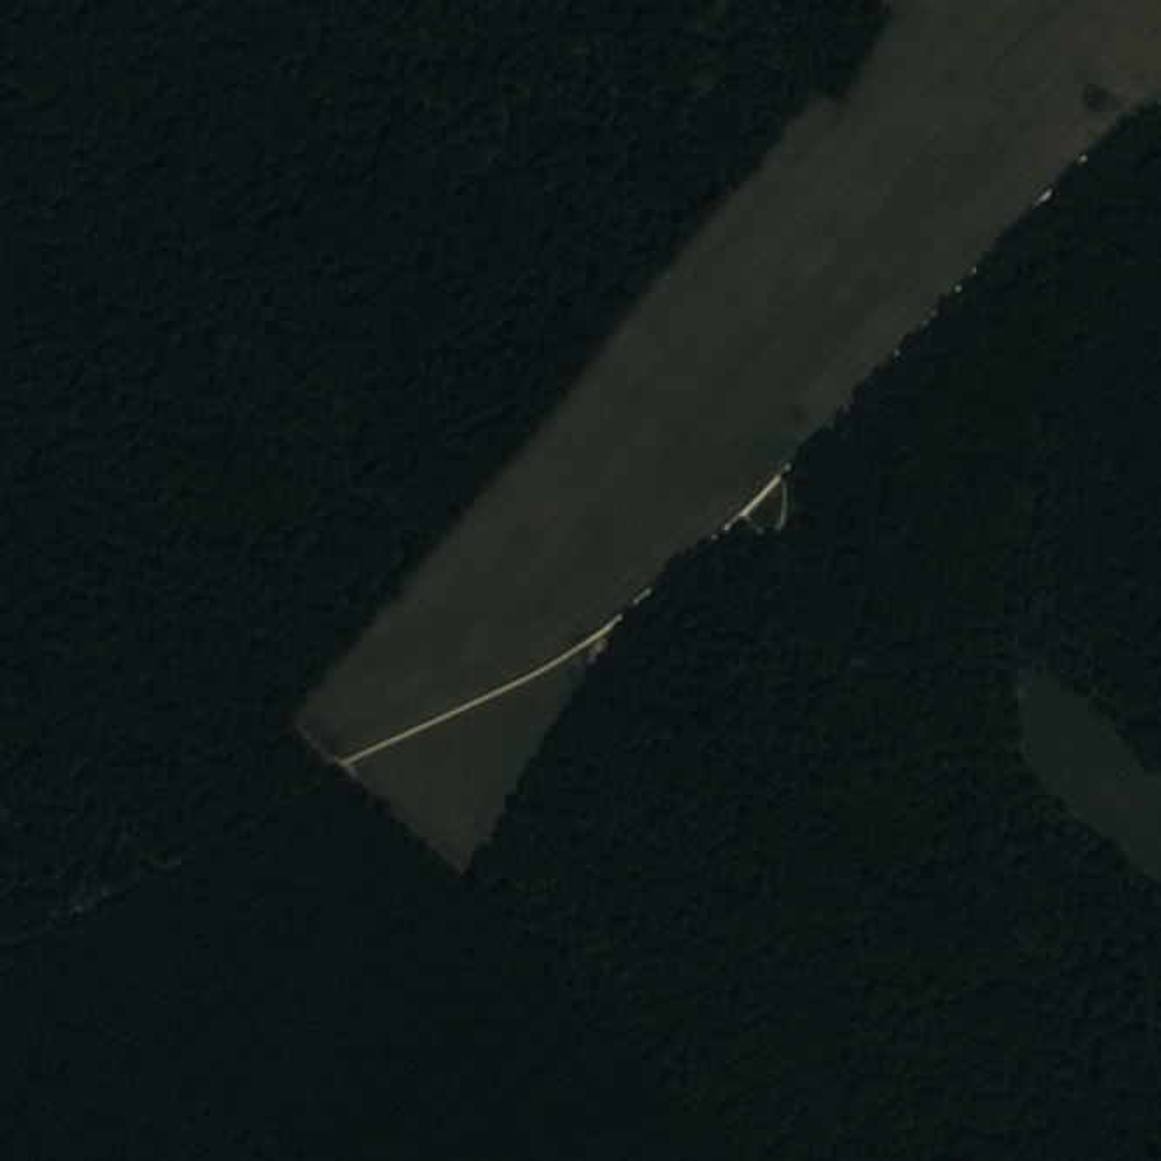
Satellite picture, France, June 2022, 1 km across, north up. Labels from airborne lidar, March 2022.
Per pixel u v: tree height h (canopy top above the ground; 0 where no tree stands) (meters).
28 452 0
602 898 19
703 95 0
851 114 0
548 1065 12
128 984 14
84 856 16
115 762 19
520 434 9
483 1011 16
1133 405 14
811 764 17
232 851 16
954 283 0
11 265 15
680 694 19
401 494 18
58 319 24
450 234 24
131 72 20
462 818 0
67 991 18
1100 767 0
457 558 0
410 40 9
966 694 17
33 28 17
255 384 16
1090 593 20
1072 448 19
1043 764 0
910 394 19
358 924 15
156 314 22
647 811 14
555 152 19
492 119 22
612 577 0
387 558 21
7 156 18
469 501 14
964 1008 21
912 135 0
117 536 18
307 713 0
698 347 0
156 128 17
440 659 0
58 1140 11
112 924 15
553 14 22
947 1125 21
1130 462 19
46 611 15
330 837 16
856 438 19
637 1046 16
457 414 7
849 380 0
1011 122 0
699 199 19
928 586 21
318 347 17
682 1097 14
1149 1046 21
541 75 19
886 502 23
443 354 20
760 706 20
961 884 23
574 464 0
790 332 0
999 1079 19
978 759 23
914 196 0
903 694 20
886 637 15
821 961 18
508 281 25
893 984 16
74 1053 17
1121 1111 19
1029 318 20
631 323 0
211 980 15
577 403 0
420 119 25
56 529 17
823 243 0
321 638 16
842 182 0
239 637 17
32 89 17
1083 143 0
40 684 19
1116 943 22
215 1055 11
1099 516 17
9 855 19
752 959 18
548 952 19
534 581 0
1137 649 18
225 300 17
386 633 0
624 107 18
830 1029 16
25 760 19
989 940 18
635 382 0
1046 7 0
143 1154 13
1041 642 25
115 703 18
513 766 0
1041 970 17
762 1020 19
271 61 22
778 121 16
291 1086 15
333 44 19
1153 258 18
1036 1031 19
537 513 0
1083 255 19
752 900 12
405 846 15
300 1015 16
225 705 18
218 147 18
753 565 18
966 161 0
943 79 0
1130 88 0
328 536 17
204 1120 16
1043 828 27
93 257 16
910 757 24
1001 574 16
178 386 18
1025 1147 20
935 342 17
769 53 16
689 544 0
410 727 0
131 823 16
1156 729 19
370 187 19
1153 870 0
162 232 22
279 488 11
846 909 18
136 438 15
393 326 18
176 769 13
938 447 20
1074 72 0
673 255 16
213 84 18
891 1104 19
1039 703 0
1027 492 10
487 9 22
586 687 7
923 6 0
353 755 0
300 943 17
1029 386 16
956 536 19
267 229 23
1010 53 0
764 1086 12
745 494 0
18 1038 12
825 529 16
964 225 0
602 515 0
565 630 0
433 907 16
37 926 17
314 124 18
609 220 21
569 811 19
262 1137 13
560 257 9
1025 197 0
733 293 0
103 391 17
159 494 18
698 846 16
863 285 0
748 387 0
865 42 17
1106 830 0
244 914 14
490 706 0
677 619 21
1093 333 21
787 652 13
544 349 24
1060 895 16
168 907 14
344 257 22
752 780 17
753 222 0
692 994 16
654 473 0
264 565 18
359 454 21
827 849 13
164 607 18
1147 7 0
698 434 0
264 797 16
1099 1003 22
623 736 15
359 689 0
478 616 0
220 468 20
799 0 20
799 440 0
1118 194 18
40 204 20
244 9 19
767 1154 18
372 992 18
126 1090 13
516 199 22
